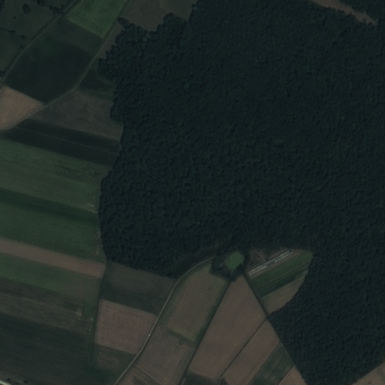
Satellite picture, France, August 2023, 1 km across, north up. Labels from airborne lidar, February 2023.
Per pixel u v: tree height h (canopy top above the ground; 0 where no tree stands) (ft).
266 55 76
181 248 82
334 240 64
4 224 0
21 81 0
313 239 66
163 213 89
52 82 0
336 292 52
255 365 0
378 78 55
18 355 0
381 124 48
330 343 59
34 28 0
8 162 0
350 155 56
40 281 0
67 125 0
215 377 0
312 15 82
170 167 88
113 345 0
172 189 87
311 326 66
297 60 65
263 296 0
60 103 0
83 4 0
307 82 85
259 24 68
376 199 58
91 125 0
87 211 0
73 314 0
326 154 70
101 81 0
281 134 77
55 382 0
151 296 0
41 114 0
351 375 61
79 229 0
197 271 0
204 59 67
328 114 71
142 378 0
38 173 0
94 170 0
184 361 0
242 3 39
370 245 67
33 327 0
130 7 0
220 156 76
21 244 0
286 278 0
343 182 54
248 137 78
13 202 0
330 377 72
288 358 0
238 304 0
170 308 0
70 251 0
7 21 0
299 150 74
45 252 0
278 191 66
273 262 0
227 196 63
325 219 71
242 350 0
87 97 0
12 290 0
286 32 70
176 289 0
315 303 64
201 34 73
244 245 66
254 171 79
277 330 27
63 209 0
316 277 56
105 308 0
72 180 0
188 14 0
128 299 0
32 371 0
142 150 81
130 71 61
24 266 0
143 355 0
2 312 0
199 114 63
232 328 0
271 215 72
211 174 68
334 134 63
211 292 0
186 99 68
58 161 0
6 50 0
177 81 72
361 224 66
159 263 68
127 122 68
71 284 0
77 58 0
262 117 80
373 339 61
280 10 77
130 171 76
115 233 75
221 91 80
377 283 52
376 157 64
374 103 34
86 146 0
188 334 0
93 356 0
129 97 69
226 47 73
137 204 91
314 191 44
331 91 76
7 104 0
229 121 82
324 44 80
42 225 0
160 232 93
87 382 0
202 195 81
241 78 60
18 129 0
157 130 66
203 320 0
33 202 0
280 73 73
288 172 77
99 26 0
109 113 0
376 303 65
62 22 0
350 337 65
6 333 0
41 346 0
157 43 73
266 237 67
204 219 83
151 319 0
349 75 81
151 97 83
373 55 64
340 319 62
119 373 0
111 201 46
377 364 42
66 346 0
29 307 0
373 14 80
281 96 94
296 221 66
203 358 0
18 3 0
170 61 73
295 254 0
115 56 73
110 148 0
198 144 73
